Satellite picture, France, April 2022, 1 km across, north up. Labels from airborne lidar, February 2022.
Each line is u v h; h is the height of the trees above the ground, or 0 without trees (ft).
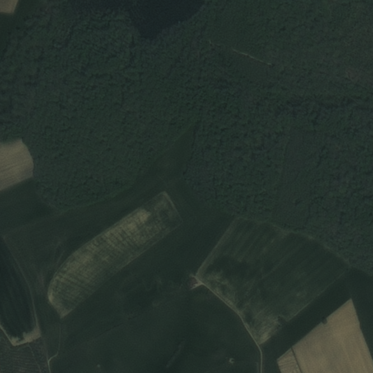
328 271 0
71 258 0
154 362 0
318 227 88
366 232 91
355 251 87
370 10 90
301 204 58
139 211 0
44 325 0
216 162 69
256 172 99
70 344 0
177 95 84
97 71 85
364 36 66
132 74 77
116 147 77
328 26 80
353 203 92
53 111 79
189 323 0
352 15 61
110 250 0
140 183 0
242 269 0
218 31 60
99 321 0
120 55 91
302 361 0
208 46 57
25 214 0
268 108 103
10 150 0
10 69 84
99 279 0
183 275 0
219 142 70
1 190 0
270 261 0
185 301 0
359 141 93
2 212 0
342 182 87
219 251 0
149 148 78
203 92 77
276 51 82
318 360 0
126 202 0
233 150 86
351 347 0
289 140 52
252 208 88
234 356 0
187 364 0
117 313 0
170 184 0
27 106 81
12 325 0
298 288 0
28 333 0
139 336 0
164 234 0
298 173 46
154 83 85
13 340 0
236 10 69
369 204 94
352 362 0
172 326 0
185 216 0
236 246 0
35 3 0
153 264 0
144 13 42
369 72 76
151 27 46
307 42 102
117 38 92
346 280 0
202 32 78
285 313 0
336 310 0
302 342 0
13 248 0
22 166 0
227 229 0
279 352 0
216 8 61
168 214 0
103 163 85
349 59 64
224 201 85
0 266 0
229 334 0
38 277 0
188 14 39
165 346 0
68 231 0
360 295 0
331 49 103
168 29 64
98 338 0
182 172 0
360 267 68
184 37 88
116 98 88
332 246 86
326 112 81
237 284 0
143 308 0
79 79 95
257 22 73
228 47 44
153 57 104
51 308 0
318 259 0
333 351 0
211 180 56
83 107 84
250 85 83
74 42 69
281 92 106
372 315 0
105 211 0
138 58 81
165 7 31
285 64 82
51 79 86
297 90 94
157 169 0
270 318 0
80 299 0
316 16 91
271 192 76
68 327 0
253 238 0
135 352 0
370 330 0
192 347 0
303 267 0
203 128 72
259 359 0
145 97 96
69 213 0
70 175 83
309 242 0
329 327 0
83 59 89
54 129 64
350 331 0
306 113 100
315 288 0
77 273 0
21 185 0
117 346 0
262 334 0
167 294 0
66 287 0
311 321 0
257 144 103
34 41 80
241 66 61
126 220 0
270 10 83
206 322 0
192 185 56
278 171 81
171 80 73
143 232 0
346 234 102
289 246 0
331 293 0
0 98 71
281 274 0
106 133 83
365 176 90
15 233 0
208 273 0
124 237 0
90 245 0
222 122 79
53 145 76
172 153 0
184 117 71
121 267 0
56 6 73
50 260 0
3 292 0
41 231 0
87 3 36
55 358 0
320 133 70
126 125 84
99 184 75
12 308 0
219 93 75
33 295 0
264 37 76
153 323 0
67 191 73
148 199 0
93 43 78
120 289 0
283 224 28
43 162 88
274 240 0
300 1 89
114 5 48
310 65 91
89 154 83
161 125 87
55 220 0
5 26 0
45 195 66
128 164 89
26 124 83
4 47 0
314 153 67
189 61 83
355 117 87
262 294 0
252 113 80
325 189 76
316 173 72
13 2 0
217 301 0
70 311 0
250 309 0
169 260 0
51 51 83
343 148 92
